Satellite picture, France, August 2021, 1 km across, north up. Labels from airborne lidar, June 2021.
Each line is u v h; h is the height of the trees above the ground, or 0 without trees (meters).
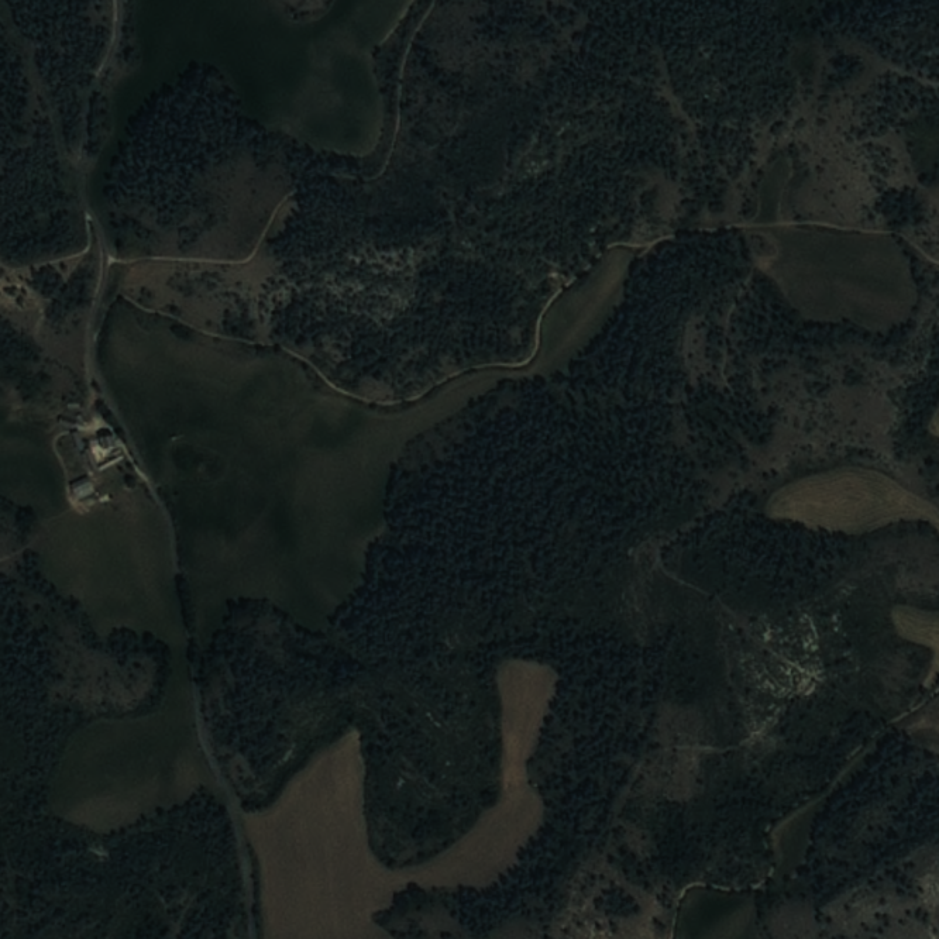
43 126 7
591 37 10
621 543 9
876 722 15
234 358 0
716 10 17
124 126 0
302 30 0
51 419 0
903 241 8
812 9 7
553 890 6
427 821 7
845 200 0
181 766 0
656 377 11
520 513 14
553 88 8
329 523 0
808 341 10
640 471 9
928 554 0
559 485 14
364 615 15
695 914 0
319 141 0
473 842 0
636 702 14
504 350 9
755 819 8
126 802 0
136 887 11
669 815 9
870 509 0
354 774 0
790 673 0
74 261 0
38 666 17
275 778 6
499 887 9
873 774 8
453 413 0
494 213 12
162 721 0
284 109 0
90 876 8
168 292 0
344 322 9
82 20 9
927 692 15
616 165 12
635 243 0
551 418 9
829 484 0
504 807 0
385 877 0
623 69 8
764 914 8
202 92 18
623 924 0
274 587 0
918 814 7
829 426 0
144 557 0
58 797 0
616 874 0
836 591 0
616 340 14
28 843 6
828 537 15
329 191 13
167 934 11
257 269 0
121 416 0
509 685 0
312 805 0
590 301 0
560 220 12
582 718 8
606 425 19
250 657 9
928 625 0
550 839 16
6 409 0
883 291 0
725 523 10
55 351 0
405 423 0
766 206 0
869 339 9
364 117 0
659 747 7
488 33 9
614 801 12
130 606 0
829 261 0
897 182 0
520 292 6
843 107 0
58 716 10
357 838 0
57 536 0
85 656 0
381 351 11
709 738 0
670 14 15
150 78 0
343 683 11
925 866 0
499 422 8
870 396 0
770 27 18
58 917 14
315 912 0
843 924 0
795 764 10
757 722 0
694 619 0
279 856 0
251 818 0
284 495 0
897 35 9
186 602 16
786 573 9
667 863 11
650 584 0
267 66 0
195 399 0
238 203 0
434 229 11
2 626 6
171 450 0
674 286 11
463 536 13
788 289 0
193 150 11
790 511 0
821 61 0
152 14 0
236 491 0
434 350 10
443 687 7
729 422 18
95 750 0
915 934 0
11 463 0
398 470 13
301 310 12
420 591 16
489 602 9
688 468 6
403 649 12
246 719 12
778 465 0
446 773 0
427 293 8
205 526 0
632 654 12
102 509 0
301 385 0
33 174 12
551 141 8
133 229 6
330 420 0
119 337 0
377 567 14
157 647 11
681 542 7
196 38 0
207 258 0
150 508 0
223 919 10
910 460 0
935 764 9
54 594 9
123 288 0
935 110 8
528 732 0
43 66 12
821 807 0
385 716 9
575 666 14
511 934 0
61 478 0
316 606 0
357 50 0
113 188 7
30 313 0
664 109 12
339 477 0
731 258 16
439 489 10
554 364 0
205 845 7
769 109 9
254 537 0
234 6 0
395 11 0
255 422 0
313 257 9
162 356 0
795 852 0
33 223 21
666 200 0
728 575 8
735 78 12
